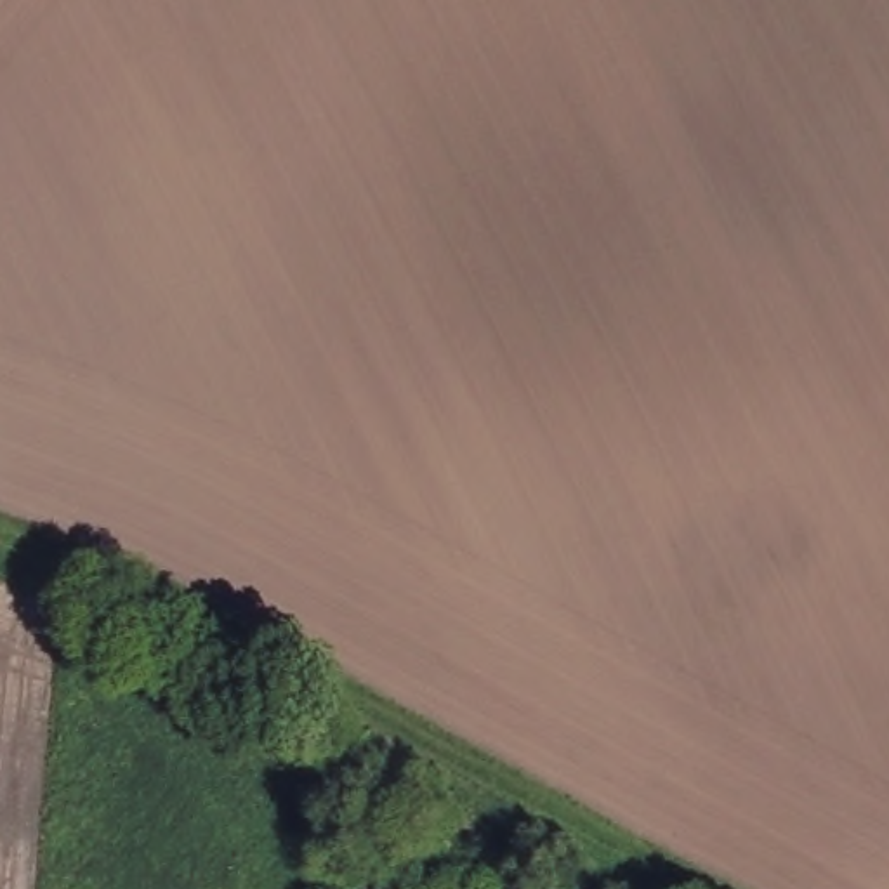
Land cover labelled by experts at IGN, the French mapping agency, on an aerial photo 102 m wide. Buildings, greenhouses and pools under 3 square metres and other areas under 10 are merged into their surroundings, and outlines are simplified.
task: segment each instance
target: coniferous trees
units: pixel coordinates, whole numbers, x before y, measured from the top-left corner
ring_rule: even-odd
[[[285,889],[629,889],[615,886],[604,868],[590,872],[580,851],[573,847],[573,837],[556,820],[528,813],[521,806],[479,816],[465,830],[458,830],[445,806],[427,792],[427,785],[406,771],[413,757],[410,743],[403,743],[399,736],[358,740],[347,754],[313,767],[323,788],[306,802],[306,865],[288,865]]]
[[[174,590],[177,583],[170,580],[170,573],[153,570],[146,559],[128,556],[115,542],[108,552],[73,552],[73,566],[66,566],[45,587],[42,597],[52,611],[52,625],[52,635],[63,646],[63,663],[56,667],[76,670],[94,684],[104,677],[111,642],[122,632],[135,629],[135,608],[146,601],[163,601]]]

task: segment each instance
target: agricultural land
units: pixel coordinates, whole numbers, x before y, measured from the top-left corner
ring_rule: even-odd
[[[889,0],[0,0],[0,510],[56,528],[87,524],[108,531],[115,542],[128,556],[146,559],[153,570],[170,573],[170,580],[177,583],[174,590],[177,601],[191,601],[194,594],[201,597],[205,611],[219,622],[215,635],[226,646],[226,656],[240,656],[257,629],[274,625],[281,615],[292,615],[299,632],[313,639],[323,653],[330,653],[351,677],[413,708],[417,715],[451,729],[455,736],[490,750],[493,757],[528,771],[531,778],[580,799],[583,806],[649,840],[656,851],[698,868],[691,882],[670,889],[889,889]]]
[[[35,858],[45,847],[45,778],[52,754],[49,708],[56,667],[63,663],[63,646],[52,635],[52,625],[38,625],[35,632],[28,632],[14,611],[7,583],[0,580],[0,889],[31,889]]]

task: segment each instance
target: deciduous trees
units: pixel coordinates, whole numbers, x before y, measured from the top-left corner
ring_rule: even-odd
[[[104,677],[94,684],[101,688],[104,701],[118,701],[135,691],[135,701],[149,705],[174,733],[201,743],[212,757],[219,757],[219,774],[229,785],[260,785],[267,778],[267,767],[274,764],[313,767],[347,754],[358,740],[340,719],[340,681],[351,677],[330,653],[323,653],[313,639],[299,632],[292,615],[281,615],[274,625],[257,629],[240,656],[226,656],[226,646],[215,635],[219,622],[205,611],[201,597],[194,594],[191,601],[177,601],[174,590],[163,601],[146,601],[135,608],[135,629],[122,632],[111,642]]]

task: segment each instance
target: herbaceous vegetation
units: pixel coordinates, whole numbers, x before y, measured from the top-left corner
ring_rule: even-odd
[[[649,840],[583,806],[580,799],[531,778],[528,771],[493,757],[490,750],[455,736],[451,729],[417,715],[413,708],[351,677],[340,681],[340,719],[358,740],[399,736],[403,743],[410,743],[413,757],[406,771],[427,785],[427,792],[445,806],[458,830],[465,830],[479,816],[521,806],[528,813],[556,820],[573,837],[573,847],[580,851],[590,872],[604,868],[615,886],[629,889],[670,889],[691,882],[698,868],[656,851]]]
[[[87,524],[56,528],[0,510],[0,580],[7,583],[14,611],[28,632],[35,632],[38,625],[52,625],[52,611],[42,597],[45,587],[66,566],[73,566],[73,552],[108,552],[115,542],[108,531]]]
[[[212,757],[201,743],[174,733],[149,705],[135,701],[135,691],[118,701],[104,701],[101,688],[94,684],[76,670],[56,667],[49,708],[52,754],[45,778],[45,847],[35,858],[31,889],[285,889],[288,865],[306,865],[306,802],[323,788],[313,767],[274,764],[267,767],[267,778],[260,785],[229,785],[219,774],[219,757]]]

